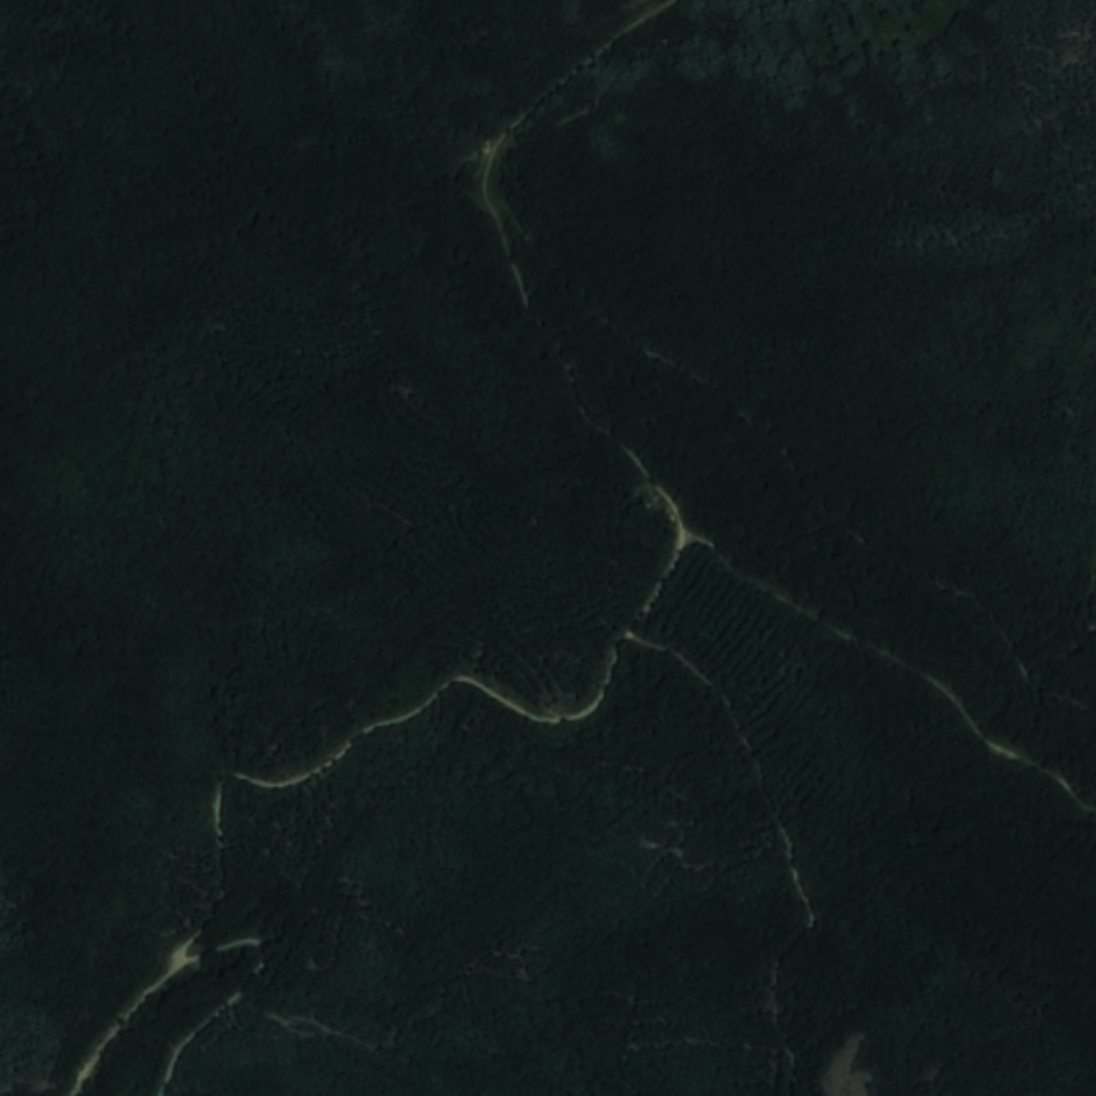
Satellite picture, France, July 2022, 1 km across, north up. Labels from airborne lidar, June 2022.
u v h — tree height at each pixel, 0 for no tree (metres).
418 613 16
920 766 20
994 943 13
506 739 11
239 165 18
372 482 12
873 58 18
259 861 19
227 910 14
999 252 11
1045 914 23
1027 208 14
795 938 13
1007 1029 12
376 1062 11
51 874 15
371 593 9
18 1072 13
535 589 14
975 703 19
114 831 11
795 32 11
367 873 10
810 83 26
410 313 15
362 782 11
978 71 10
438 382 12
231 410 16
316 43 13
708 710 14
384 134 9
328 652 11
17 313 14
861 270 16
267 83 15
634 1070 15
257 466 16
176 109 13
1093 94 10
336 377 15
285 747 15
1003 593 17
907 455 18
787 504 19
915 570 13
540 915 11
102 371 12
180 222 16
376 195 14
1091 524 10
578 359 16
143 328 15
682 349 16
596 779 12
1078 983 18
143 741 14
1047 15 9
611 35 11
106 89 11
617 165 17
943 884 22
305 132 11
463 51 9
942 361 10
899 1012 12
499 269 14
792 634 9
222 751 15
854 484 17
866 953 11
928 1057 11
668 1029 11
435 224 16
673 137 17
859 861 10
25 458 10
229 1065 12
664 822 8
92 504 11
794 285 16
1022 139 9
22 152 18
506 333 12
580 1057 9
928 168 13
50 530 14
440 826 10
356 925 14
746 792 7
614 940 13
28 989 7
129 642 15
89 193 12
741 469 17
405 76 6
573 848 10
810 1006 13
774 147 18
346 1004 6
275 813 12
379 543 15
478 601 14
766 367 17
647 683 14
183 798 12
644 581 10
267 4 13
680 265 19
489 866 9
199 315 10
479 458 15
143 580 17
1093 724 26
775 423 13
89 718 9
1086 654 22
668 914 12
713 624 16
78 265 11
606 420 19
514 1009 10
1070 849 19
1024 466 11
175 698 8
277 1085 14
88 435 18
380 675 14
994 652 19
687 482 15
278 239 15
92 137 12
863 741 9
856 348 14
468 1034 9
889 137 10
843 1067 0
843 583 17
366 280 13
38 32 9
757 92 14
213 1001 13
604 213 20
